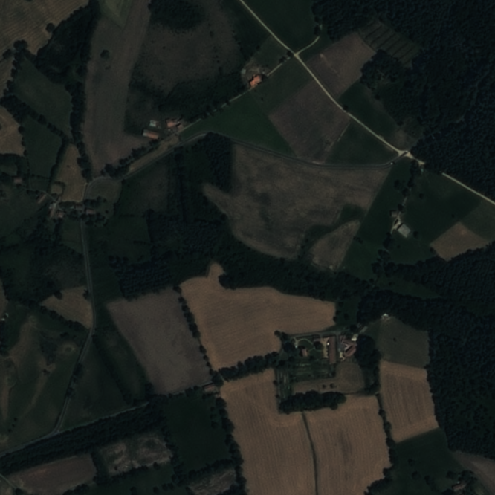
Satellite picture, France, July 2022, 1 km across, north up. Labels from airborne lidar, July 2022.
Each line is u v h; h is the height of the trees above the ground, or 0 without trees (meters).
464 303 7
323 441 0
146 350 0
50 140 0
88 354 0
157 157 0
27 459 6
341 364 0
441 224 0
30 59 18
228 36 0
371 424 0
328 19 22
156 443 0
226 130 0
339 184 0
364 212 0
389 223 0
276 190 0
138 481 0
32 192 6
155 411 21
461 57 30
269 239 0
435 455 0
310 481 0
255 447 0
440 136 19
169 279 26
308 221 0
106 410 0
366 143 0
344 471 0
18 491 14
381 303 24
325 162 0
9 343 11
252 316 0
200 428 0
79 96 24
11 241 0
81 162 22
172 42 0
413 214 0
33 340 0
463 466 0
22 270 0
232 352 0
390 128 0
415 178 12
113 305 0
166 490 17
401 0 19
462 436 15
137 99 0
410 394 0
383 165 0
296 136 0
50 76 23
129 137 0
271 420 0
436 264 25
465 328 29
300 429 0
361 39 0
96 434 14
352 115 0
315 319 0
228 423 22
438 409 17
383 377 0
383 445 0
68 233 0
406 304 26
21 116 22
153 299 0
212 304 0
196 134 0
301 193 0
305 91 0
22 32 0
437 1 22
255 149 0
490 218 0
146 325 0
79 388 0
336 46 0
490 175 27
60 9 0
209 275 0
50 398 0
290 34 0
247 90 12
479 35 11
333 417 0
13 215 0
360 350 24
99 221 17
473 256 22
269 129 0
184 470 24
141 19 0
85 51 23
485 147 30
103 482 20
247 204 0
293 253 0
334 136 0
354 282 10
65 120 0
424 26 25
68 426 0
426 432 0
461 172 19
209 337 0
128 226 0
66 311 0
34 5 0
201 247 18
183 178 24
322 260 0
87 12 6
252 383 0
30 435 0
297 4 0
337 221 0
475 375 8
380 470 0
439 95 30
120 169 13
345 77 0
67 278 0
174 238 22
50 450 11
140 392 0
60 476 0
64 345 0
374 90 14
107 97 0
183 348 0
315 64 0
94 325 0
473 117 29
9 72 0
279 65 0
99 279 0
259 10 0
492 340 25
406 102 8
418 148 12
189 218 23
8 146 0
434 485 7
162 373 0
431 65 36
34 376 0
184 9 13
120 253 0
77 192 0
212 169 12
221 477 0
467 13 18
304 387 0
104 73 0
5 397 0
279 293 0
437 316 31
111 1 0
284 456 0
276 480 0
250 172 0
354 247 0
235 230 0
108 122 0
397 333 0
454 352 12
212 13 0
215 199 0
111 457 0
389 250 22
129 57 0
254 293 0
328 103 0
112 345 0
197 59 0
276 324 0
